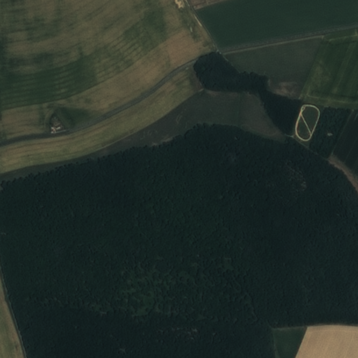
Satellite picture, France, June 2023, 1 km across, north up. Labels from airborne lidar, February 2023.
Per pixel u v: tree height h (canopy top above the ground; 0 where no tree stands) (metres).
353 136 0
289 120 14
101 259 16
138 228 16
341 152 0
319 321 14
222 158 22
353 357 0
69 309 16
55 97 0
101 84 0
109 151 0
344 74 0
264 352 22
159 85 0
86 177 23
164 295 13
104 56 0
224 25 0
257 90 16
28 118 0
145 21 0
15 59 0
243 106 0
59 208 19
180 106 0
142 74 0
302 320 20
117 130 0
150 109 0
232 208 20
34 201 18
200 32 0
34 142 0
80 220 19
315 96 0
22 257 19
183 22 0
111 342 15
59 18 0
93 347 18
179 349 20
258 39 0
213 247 17
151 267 16
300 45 0
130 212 21
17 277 19
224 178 20
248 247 18
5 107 0
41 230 19
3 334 0
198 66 20
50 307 17
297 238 22
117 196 20
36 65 0
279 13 0
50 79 0
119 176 22
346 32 0
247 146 22
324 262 19
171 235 17
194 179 21
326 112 10
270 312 17
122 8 0
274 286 19
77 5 0
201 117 0
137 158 20
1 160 0
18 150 0
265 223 22
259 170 18
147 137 0
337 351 0
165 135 0
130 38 0
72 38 0
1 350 0
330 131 13
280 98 13
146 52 0
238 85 21
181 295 17
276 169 18
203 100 0
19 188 22
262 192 22
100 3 0
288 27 0
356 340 0
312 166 19
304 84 0
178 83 0
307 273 24
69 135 0
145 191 21
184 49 0
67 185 23
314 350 0
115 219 21
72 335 18
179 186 19
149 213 19
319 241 22
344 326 0
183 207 20
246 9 0
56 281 17
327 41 0
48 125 0
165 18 0
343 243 22
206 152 23
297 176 16
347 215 19
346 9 0
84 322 16
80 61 0
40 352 23
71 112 0
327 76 0
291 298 20
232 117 0
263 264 13
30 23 0
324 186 20
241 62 0
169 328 15
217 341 11
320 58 0
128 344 15
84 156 0
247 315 17
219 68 23
